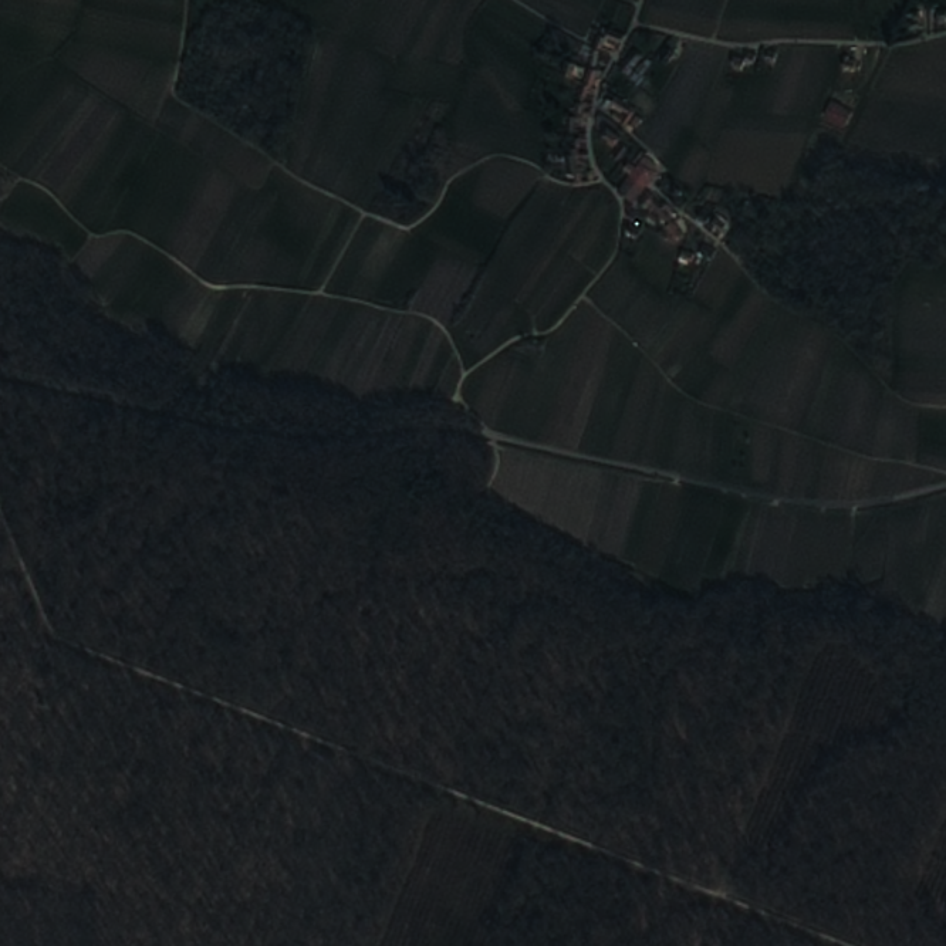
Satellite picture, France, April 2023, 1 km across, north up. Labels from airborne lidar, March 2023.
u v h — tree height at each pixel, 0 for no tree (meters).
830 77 0
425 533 25
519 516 14
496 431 0
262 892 27
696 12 0
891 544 0
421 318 0
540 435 0
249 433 21
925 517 0
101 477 19
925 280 0
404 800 23
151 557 29
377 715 28
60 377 28
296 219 0
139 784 31
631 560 0
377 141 0
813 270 31
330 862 24
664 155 0
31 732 28
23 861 24
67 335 6
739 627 17
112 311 0
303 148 0
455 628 16
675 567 0
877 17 0
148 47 0
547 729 26
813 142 0
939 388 0
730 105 0
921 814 26
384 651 26
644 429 0
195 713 27
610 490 0
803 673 9
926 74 0
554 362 0
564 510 0
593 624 27
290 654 27
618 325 0
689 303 0
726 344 0
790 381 0
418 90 0
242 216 0
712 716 23
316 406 28
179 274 0
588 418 0
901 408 0
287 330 0
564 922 27
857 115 0
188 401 21
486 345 0
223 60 14
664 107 0
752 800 24
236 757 28
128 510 26
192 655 29
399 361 0
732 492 0
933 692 24
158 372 24
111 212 0
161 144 0
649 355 0
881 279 24
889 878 25
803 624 16
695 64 0
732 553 0
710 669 23
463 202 0
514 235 0
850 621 21
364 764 28
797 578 0
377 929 28
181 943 28
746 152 0
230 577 29
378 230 0
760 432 0
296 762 26
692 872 23
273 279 0
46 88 0
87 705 28
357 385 0
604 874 23
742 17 0
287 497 23
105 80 0
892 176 24
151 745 28
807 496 0
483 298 0
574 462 0
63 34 0
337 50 0
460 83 0
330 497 21
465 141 0
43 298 18
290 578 28
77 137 0
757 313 0
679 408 0
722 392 0
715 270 0
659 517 0
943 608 0
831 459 0
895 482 0
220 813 28
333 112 0
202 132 0
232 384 16
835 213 16
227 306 0
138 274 0
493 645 22
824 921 24
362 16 0
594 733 25
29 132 0
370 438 20
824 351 0
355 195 0
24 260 21
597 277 0
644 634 24
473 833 0
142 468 20
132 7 0
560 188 0
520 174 0
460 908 0
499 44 0
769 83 0
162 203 0
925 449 0
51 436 24
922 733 27
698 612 18
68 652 24
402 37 0
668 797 27
